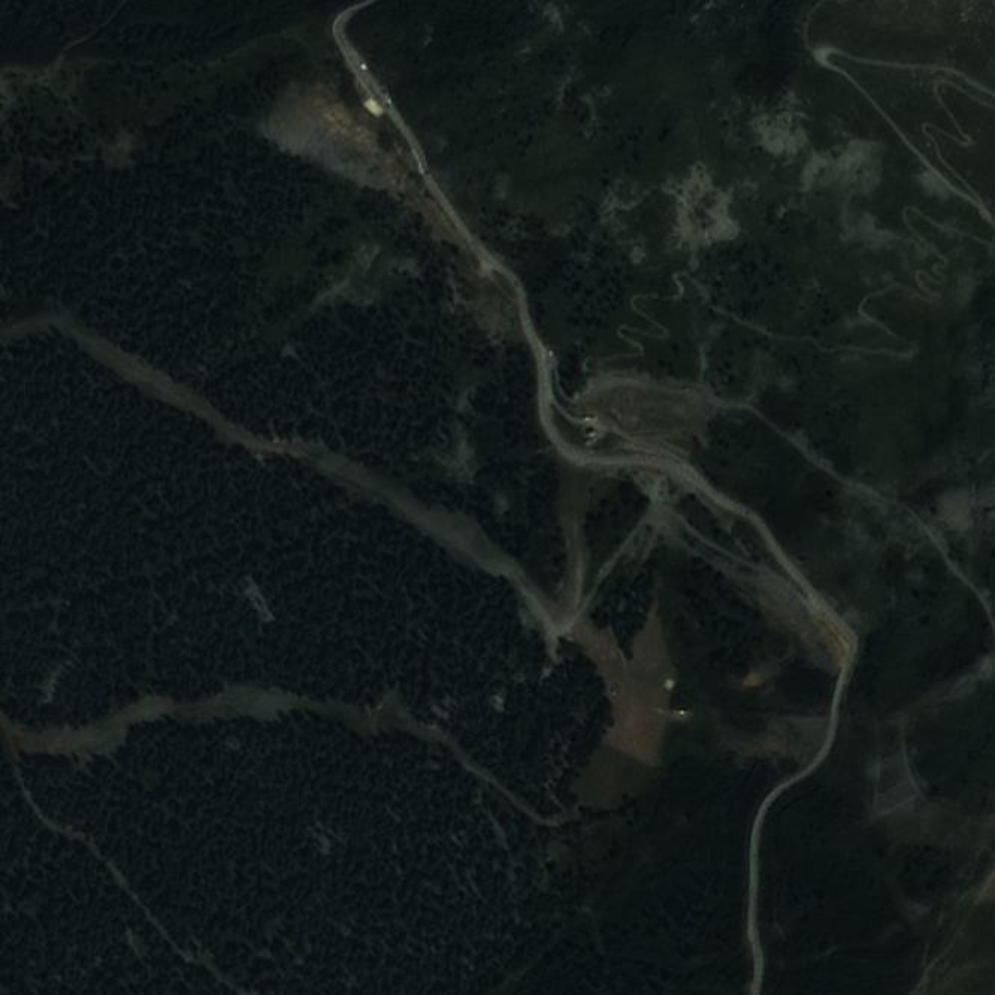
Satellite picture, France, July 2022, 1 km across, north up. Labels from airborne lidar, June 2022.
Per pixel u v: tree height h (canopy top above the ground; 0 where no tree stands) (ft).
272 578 34
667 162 0
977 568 0
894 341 0
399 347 53
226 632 45
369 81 0
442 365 54
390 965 70
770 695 0
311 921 71
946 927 0
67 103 29
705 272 0
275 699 0
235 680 62
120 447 44
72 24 23
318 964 57
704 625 39
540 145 0
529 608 0
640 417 0
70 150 49
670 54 0
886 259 0
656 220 0
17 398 72
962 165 0
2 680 54
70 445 45
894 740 0
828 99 0
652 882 23
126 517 83
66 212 38
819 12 0
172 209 62
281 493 56
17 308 27
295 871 59
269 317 28
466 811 57
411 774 57
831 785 0
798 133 0
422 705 49
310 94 0
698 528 26
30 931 76
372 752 72
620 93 0
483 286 0
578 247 34
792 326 0
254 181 45
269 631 52
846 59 0
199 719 0
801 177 0
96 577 48
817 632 0
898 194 0
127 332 56
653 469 0
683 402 0
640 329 0
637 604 46
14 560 61
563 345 0
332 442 44
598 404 0
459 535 0
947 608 0
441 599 37
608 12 0
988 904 0
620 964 19
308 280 25
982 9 0
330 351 58
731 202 0
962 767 0
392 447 27
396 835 55
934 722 0
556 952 18
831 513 24
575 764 54
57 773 55
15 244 80
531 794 27
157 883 69
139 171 34
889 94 0
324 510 66
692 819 29
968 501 0
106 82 26
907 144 0
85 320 62
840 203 0
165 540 40
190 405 0
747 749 0
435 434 24
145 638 57
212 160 39
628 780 0
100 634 63
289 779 63
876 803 0
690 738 0
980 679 0
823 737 0
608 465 0
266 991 68
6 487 80
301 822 51
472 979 47
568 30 0
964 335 0
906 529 0
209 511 64
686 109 0
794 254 0
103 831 76
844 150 0
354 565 55
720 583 38
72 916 80
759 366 0
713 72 0
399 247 27
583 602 0
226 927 76
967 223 0
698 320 0
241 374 33
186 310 31
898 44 0
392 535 63
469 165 0
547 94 0
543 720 38
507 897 60
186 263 45
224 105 26
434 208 0
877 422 0
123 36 18
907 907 0
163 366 57
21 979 28
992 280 0
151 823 76
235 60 0
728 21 22
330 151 0
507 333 0
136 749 67
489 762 54
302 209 35
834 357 0
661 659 0
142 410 52
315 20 0
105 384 31
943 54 0
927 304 0
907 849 0
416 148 0
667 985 28
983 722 0
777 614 0
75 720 56
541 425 0
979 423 0
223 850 66
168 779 77
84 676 66
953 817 0
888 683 0
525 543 63
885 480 0
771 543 0
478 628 45
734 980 22
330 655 67
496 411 38
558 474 25
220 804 53
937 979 0
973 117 0
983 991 0
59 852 88
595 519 49
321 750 67
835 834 0
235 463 62
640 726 0
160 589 59
